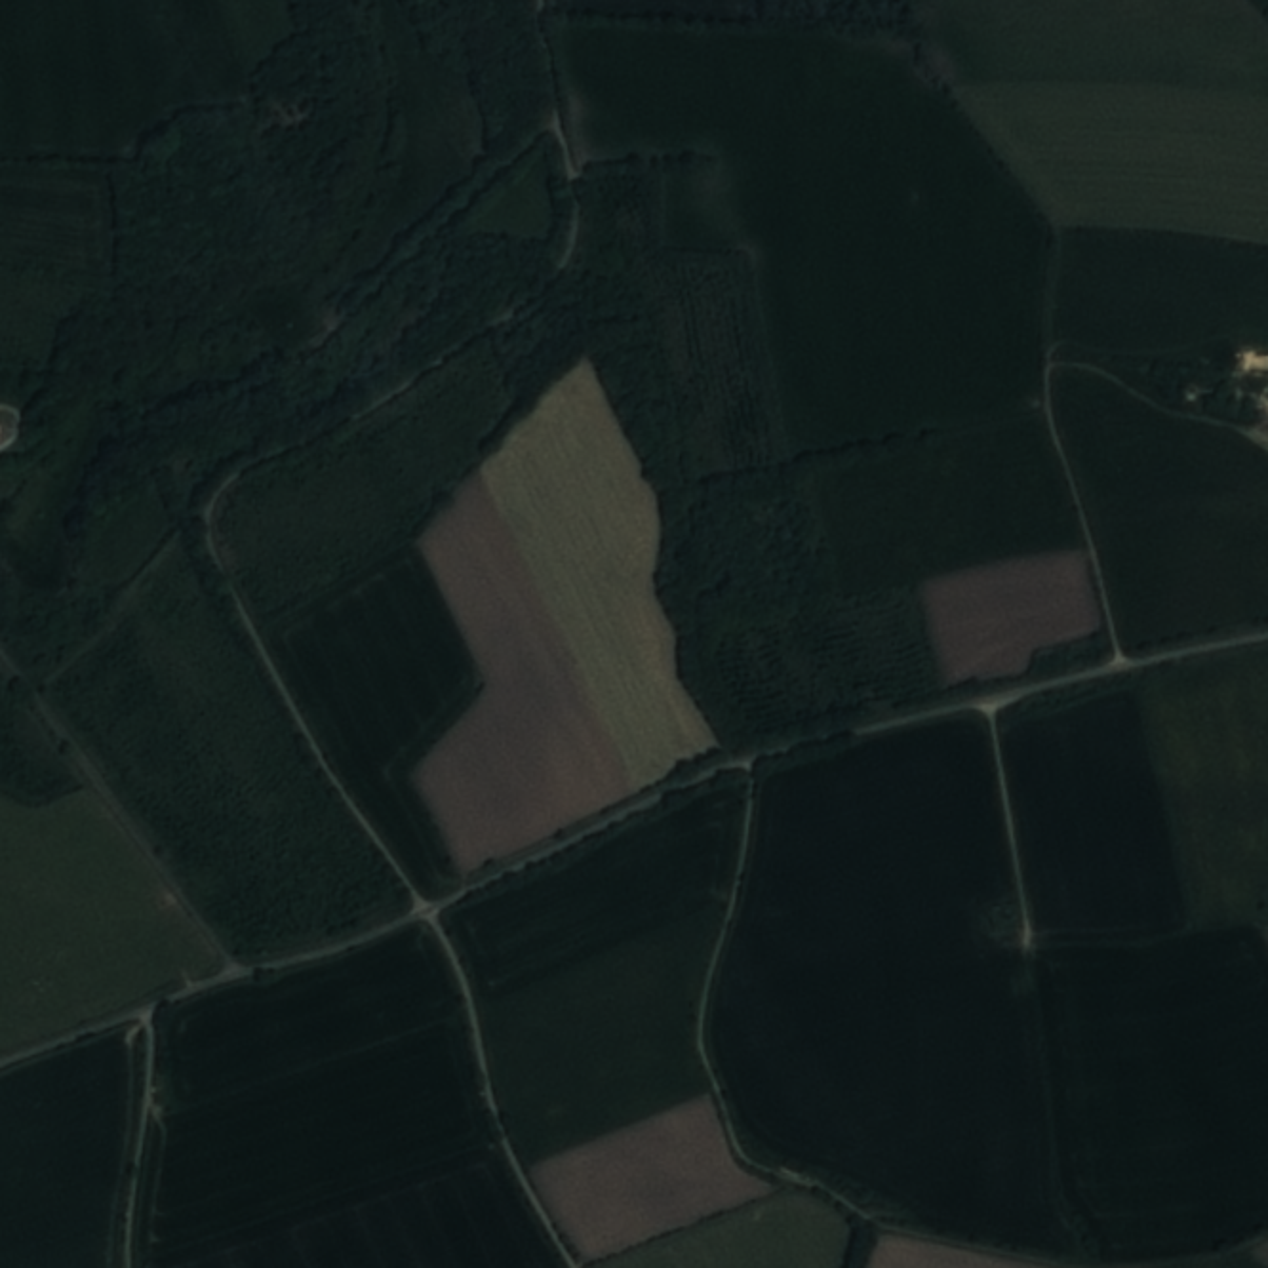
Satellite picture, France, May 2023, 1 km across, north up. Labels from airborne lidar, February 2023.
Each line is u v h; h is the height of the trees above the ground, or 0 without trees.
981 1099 0
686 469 8
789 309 0
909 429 0
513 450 0
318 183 13
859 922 0
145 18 0
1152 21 0
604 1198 0
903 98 0
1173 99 0
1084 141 0
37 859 0
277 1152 0
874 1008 0
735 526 15
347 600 0
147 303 17
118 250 11
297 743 10
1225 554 0
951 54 0
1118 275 0
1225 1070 0
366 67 20
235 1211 0
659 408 18
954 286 0
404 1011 0
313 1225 0
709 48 0
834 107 0
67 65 0
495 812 0
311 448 8
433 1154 0
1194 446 0
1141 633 0
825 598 11
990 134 0
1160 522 0
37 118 0
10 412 0
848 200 0
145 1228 0
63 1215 0
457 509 0
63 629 7
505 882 10
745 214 0
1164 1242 0
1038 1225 0
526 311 9
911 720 0
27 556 0
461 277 14
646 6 0
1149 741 0
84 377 19
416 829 0
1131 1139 0
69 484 0
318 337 14
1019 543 0
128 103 0
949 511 0
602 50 0
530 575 0
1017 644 0
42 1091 0
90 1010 0
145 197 13
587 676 0
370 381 11
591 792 0
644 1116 0
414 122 0
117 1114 0
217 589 13
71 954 0
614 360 16
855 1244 12
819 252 0
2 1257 0
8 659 0
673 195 0
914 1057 0
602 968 0
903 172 0
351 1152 0
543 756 0
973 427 0
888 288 0
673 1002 0
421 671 0
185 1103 0
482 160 12
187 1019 0
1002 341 0
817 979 0
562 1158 0
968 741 0
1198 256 0
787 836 0
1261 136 0
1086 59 0
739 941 0
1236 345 0
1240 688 0
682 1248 0
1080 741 0
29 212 0
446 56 13
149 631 0
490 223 0
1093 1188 0
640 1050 0
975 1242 7
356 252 0
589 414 0
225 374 0
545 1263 0
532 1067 0
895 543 0
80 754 0
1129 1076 0
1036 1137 0
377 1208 0
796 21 13
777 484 11
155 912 0
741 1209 0
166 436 14
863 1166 0
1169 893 0
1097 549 0
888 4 18
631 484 0
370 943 0
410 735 0
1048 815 0
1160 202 0
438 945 0
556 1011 0
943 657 0
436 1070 0
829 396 0
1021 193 0
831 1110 0
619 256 7
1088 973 0
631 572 0
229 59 0
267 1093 0
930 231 0
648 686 0
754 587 14
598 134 0
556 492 0
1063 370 0
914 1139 0
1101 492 0
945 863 0
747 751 11
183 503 8
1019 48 0
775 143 0
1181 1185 0
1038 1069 0
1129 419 0
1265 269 0
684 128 0
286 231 15
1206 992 0
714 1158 0
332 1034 0
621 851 0
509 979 0
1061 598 0
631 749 0
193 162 15
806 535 10
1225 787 0
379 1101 0
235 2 0
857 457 10
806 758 10
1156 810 0
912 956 0
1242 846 0
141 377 6
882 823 0
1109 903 0
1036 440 0
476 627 0
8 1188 0
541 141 10
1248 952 0
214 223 16
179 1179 0
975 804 0
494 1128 7
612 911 0
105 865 0
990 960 0
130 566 0
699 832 0
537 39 9
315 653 0
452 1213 0
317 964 0
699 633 17
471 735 0
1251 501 0
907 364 0
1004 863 0
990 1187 0
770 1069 0
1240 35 0
